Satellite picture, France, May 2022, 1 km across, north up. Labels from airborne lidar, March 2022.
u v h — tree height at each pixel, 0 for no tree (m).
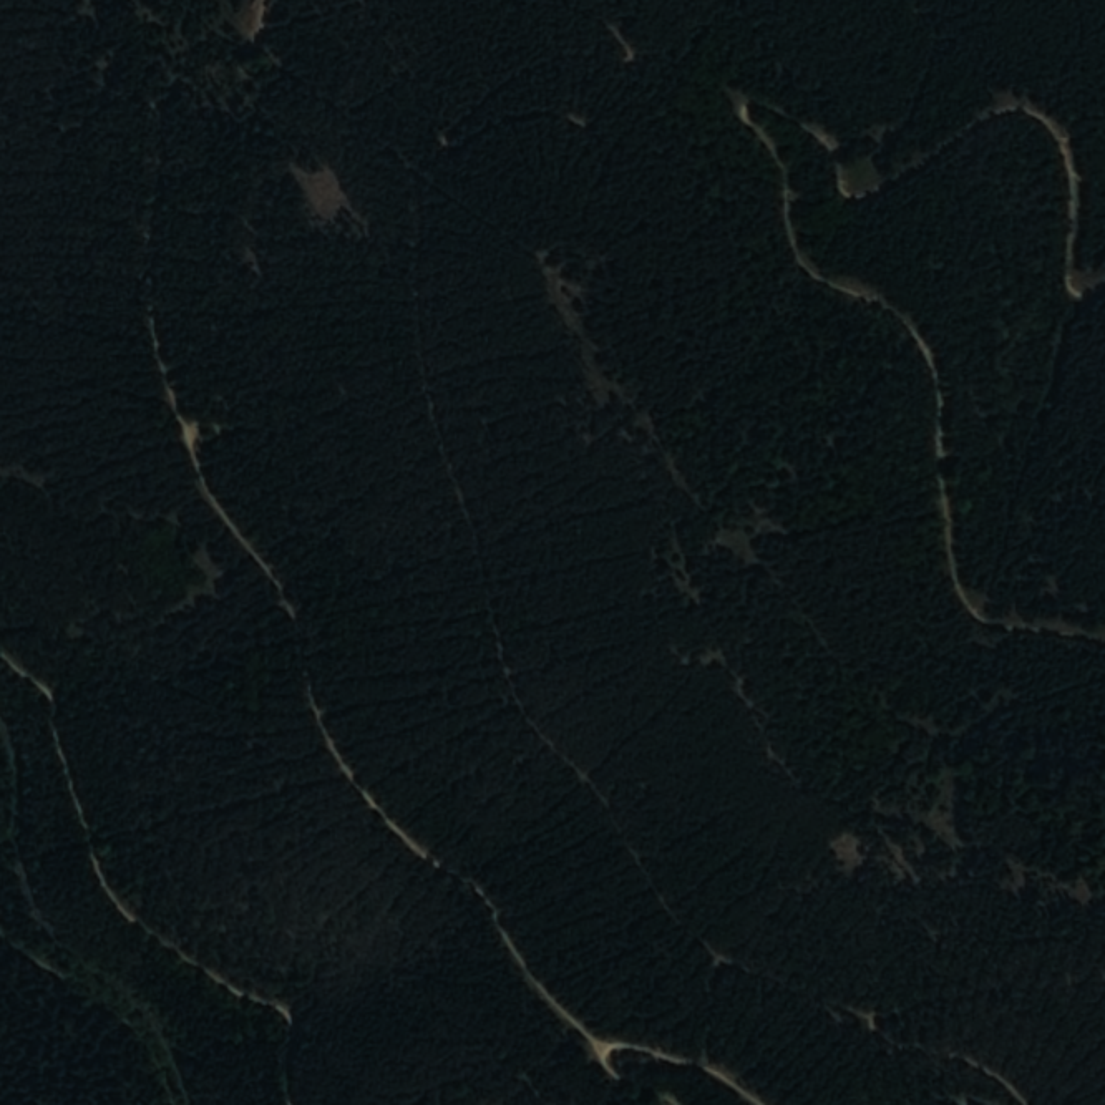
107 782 16
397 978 23
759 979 11
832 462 18
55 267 15
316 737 18
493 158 19
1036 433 15
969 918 16
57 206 18
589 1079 20
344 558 24
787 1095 17
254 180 19
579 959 22
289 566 21
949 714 14
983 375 13
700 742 16
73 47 24
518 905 26
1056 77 15
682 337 25
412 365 18
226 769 29
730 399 18
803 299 13
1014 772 22
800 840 18
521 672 13
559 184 23
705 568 16
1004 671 11
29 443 19
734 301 17
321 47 18
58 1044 33
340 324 18
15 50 17
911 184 10
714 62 16
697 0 22
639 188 24
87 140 20
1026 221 17
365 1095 19
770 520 11
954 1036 17
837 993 19
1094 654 9
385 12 18
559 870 20
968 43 14
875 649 19
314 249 22
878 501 17
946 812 9
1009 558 15
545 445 17
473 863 17
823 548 23
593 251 20
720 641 15
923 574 25
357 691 20
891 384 16
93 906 22
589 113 22
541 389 14
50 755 22
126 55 22
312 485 20
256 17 0
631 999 22
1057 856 18
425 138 14
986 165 12
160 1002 23
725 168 20
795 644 13
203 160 24
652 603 14
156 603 9
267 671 22
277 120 21
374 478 19
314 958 11
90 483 17
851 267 17
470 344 16
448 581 17
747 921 18
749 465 10
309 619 17
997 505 17
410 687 16
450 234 17
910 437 14
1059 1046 17
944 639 22
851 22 16
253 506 20
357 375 20
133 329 22
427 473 15
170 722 13
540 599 17
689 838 20
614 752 18
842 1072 21
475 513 18
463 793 13
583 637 17
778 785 12
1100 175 12
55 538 13
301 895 13
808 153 11
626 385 13
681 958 18
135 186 22
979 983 16
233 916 9
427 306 15
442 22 21
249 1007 17
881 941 21
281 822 13
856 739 17
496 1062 16
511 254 11
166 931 20
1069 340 15
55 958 19
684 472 14
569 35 21
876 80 14
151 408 21
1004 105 0
